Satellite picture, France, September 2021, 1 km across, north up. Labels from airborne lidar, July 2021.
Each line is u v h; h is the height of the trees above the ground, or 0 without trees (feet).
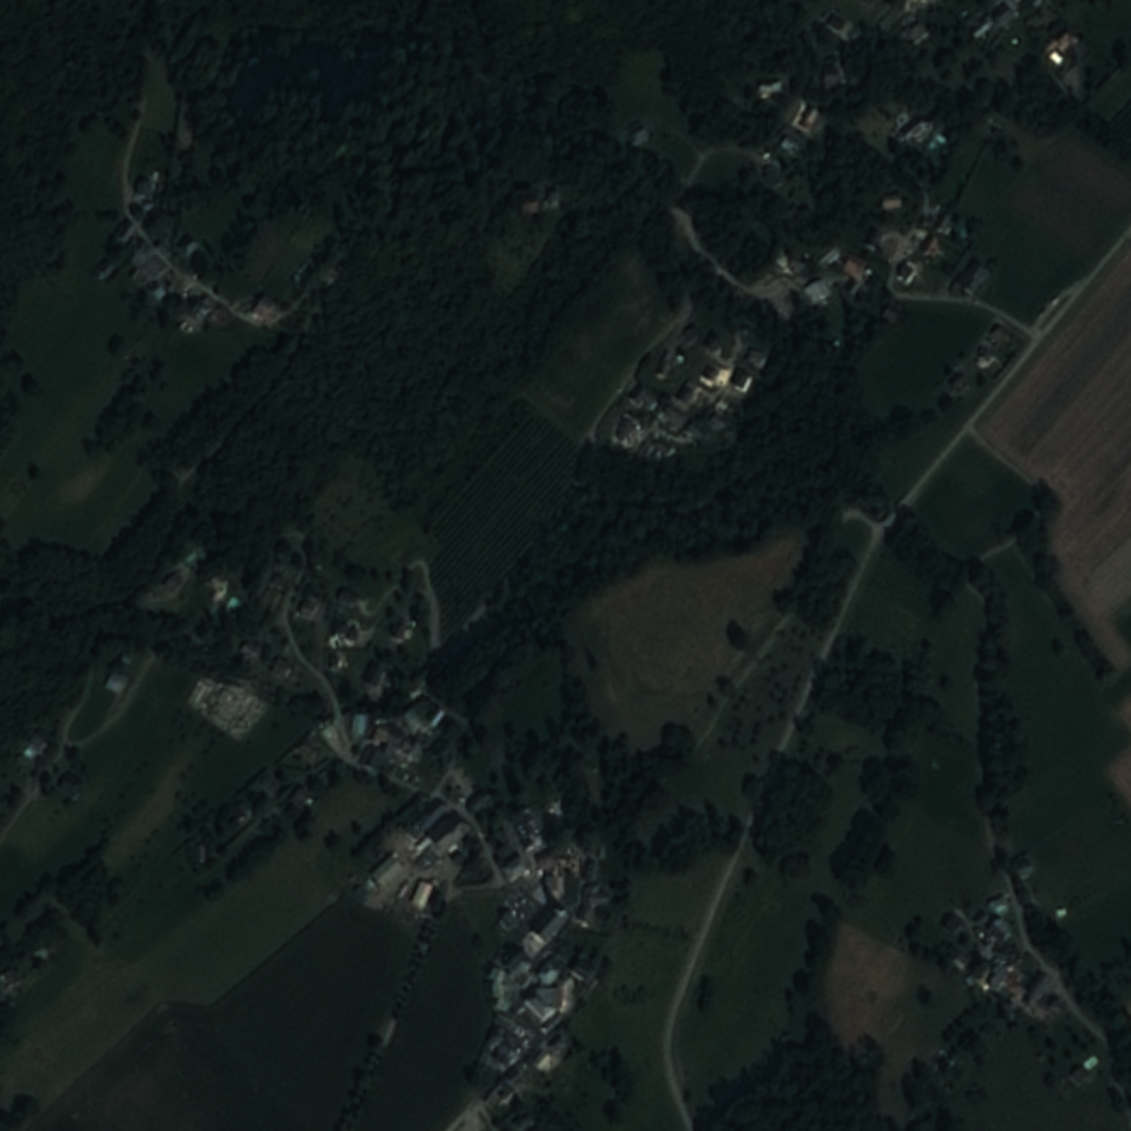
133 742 0
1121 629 0
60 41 43
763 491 63
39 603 101
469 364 48
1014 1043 0
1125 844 0
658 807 94
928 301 0
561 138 100
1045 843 0
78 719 0
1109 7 32
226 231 0
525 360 52
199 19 77
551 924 0
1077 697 0
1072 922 0
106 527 0
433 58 100
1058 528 0
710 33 82
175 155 21
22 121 63
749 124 71
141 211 37
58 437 0
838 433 78
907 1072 0
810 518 52
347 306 75
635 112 0
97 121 39
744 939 0
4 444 62
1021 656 0
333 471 71
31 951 27
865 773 0
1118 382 0
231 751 0
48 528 0
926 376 0
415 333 52
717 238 71
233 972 0
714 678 0
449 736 45
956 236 33
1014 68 0
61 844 0
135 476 0
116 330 0
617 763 43
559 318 70
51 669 39
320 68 75
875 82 68
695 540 78
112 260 39
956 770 0
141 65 50
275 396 63
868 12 0
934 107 31
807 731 55
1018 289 0
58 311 0
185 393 0
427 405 76
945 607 66
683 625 0
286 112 59
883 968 0
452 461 49
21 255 59
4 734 60
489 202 80
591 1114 0
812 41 63
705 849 80
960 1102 0
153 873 0
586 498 54
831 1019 0
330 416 70
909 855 0
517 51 103
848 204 62
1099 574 0
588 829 44
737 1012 0
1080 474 0
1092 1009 28
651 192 89
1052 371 0
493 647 81
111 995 0
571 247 57
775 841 99
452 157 111
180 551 60
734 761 0
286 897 0
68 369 0
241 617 55
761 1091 73
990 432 0
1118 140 50
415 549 0
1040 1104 0
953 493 0
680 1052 0
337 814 0
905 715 81
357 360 73
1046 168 0
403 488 70
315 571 31
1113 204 0
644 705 0
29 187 81
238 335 0
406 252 77
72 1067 0
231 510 77
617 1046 0
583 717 32
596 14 76
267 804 32
